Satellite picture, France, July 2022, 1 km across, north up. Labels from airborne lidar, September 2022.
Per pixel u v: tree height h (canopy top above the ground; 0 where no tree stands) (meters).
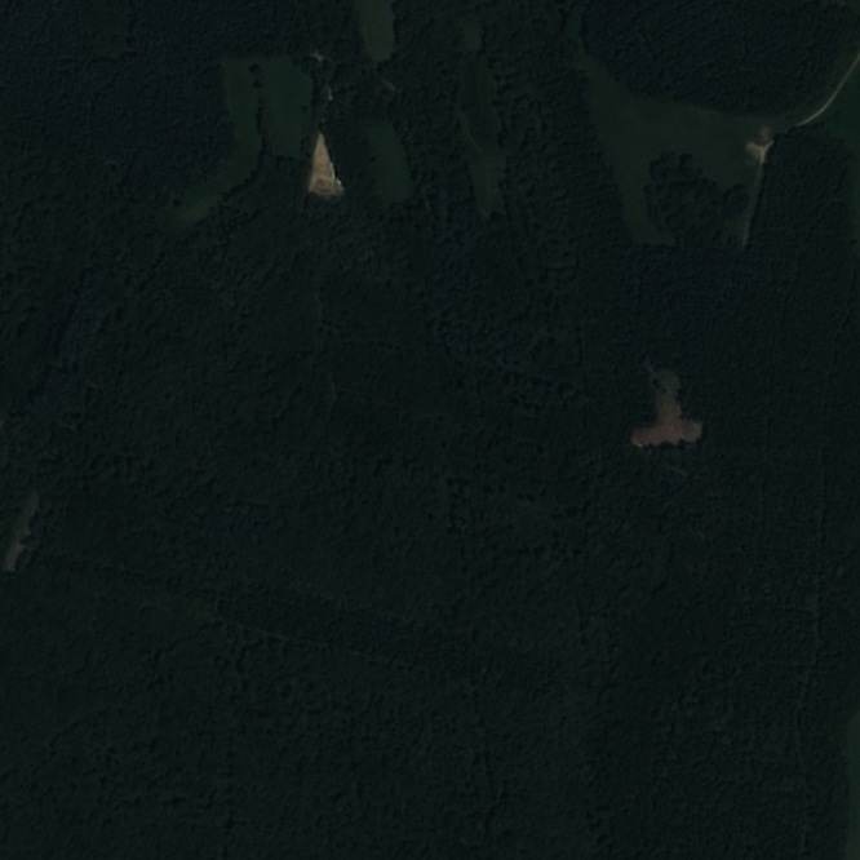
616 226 19
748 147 0
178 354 18
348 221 12
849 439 15
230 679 18
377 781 17
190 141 23
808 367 14
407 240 23
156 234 19
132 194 19
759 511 11
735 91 13
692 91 18
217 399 11
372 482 16
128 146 24
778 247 15
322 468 17
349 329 6
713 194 16
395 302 9
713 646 18
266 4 16
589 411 13
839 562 13
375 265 18
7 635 24
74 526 19
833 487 11
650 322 20
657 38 20
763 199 12
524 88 17
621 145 0
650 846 21
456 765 16
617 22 23
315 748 16
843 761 15
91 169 19
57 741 14
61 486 18
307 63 20
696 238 20
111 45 13
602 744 12
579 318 18
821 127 13
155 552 23
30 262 21
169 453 17
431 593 19
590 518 15
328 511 18
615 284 18
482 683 18
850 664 12
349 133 20
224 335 9
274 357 15
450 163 20
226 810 20
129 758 17
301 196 13
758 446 15
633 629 21
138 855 16
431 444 9
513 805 21
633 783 19
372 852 18
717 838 13
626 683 18
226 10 23
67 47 24
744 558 15
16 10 25
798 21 24
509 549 8
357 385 7
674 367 21
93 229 17
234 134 19
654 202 15
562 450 8
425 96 13
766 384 15
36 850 16
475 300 11
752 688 9
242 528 20
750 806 10
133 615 7
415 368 7
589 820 15
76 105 21
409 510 17
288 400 18
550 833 15
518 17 10
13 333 22
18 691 19
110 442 20
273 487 10
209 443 12
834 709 9
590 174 19
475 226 26
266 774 17
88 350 27
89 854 17
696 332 19
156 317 13
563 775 16
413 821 18
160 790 18
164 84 25
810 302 19
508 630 16
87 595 19
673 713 15
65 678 16
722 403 18
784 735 15
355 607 12
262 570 17
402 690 16
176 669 18
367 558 15
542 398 6
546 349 9
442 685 15
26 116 17
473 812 17
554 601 16
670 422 0
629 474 20
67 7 26
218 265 13
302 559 19
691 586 20
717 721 18
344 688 15
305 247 18
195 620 8
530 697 10
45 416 21
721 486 14
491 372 10
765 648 8
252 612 14
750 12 22
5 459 25
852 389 17
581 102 20
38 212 25
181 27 23
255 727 16
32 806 18
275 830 18
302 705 18
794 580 10
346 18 11
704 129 0
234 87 0
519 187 14
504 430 12
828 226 20
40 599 23
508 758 18
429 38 19
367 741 16
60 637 23
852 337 16
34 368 9
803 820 10
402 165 0
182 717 18
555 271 18
